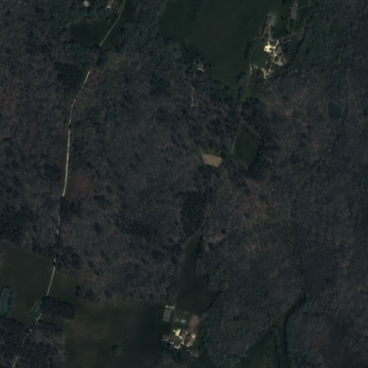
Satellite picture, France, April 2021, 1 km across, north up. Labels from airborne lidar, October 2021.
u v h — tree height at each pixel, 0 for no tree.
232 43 0
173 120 20
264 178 20
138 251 20
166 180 18
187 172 21
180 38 0
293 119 10
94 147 18
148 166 21
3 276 0
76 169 8
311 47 19
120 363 0
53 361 16
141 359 0
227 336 13
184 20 0
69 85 16
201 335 0
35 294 0
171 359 22
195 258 0
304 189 23
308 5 14
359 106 15
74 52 16
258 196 17
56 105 14
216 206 19
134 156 17
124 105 18
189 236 14
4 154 14
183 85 18
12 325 22
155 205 17
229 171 22
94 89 14
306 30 17
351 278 16
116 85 18
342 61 14
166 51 32
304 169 15
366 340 17
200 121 19
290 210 18
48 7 16
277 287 15
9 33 12
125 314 0
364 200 18
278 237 7
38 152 8
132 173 22
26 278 0
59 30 12
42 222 20
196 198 15
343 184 15
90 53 12
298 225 9
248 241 22
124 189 19
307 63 15
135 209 16
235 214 23
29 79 19
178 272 21
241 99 19
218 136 26
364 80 18
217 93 12
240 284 17
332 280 8
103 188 17
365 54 17
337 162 21
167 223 16
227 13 0
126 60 19
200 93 8
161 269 13
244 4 0
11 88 14
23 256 0
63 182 22
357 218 13
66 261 23
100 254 14
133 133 20
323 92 15
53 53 12
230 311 20
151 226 18
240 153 0
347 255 18
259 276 15
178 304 0
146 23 16
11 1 19
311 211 20
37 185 22
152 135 19
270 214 19
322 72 17
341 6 16
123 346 0
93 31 0
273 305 15
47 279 0
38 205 14
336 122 15
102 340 0
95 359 0
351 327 14
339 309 17
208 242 8
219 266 14
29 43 15
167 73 20
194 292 0
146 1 17
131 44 24
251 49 19
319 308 13
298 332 18
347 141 25
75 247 18
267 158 21
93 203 16
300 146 16
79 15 18
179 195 10
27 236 15
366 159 21
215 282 14
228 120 11
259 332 13
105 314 0
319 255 9
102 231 30
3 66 14
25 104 9
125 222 26
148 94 17
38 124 8
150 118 17
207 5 0
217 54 0
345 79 26
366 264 12
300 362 19
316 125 9
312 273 12
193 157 18
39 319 0
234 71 0
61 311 21
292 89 17
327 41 22
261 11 0
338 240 23
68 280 0
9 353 20
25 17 14
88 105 16
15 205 15
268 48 0
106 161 18
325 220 15
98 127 29
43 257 17
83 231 16
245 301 22
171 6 0
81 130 22
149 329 0
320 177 30
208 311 14
